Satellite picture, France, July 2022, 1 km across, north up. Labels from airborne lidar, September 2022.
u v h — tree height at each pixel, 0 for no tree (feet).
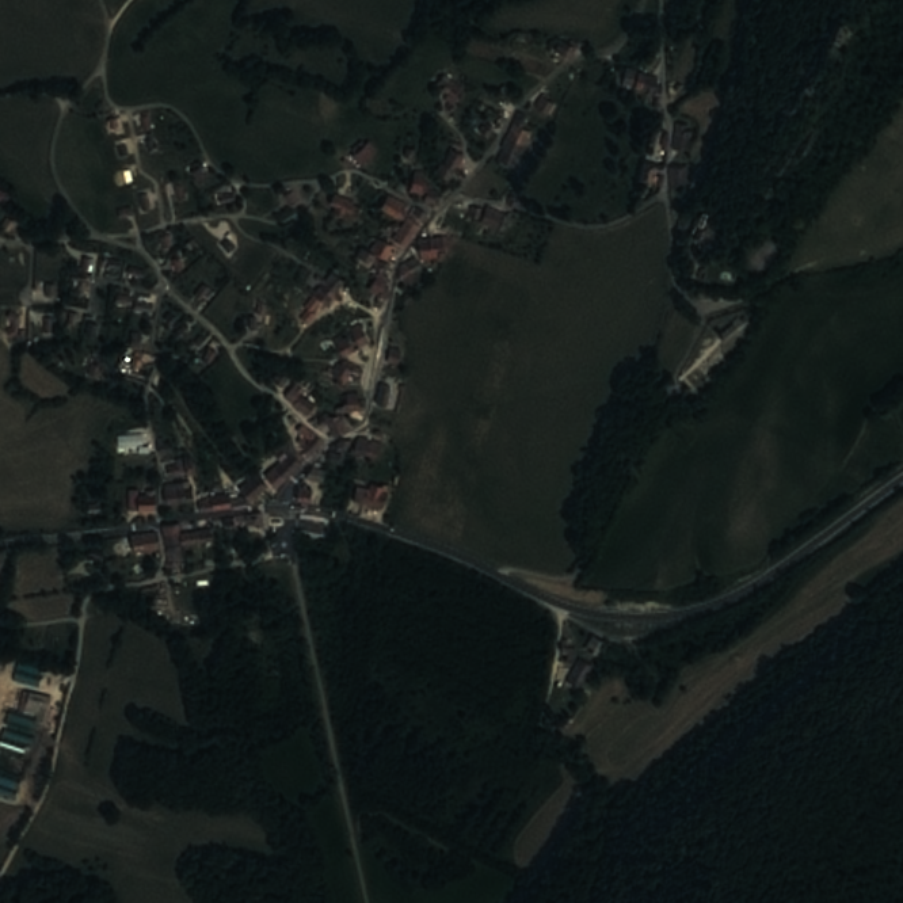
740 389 0
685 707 0
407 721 24
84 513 19
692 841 57
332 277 0
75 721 0
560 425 0
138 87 0
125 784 61
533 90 0
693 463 0
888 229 0
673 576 0
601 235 0
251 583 21
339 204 0
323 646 25
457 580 26
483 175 0
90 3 0
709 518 0
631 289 0
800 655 30
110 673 0
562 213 58
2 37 0
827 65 38
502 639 21
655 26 82
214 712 20
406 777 62
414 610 19
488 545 0
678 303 62
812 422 0
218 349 28
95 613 0
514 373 0
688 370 0
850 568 0
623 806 54
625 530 0
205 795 42
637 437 62
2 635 64
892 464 26
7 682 0
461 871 31
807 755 47
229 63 50
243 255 0
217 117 0
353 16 0
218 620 58
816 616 0
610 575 0
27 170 0
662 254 0
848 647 67
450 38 71
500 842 48
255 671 27
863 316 0
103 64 0
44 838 0
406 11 0
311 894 68
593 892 48
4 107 0
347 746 19
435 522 0
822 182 45
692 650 63
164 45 0
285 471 0
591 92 0
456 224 0
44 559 0
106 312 18
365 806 28
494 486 0
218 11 0
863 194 0
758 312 54
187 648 55
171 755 67
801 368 0
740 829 51
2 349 0
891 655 60
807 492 0
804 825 32
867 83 68
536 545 0
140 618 31
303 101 0
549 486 0
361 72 44
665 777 42
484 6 74
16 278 0
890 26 83
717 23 0
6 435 0
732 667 0
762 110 76
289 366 60
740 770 71
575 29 0
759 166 55
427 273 29
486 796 24
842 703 66
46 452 0
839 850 56
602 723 0
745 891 50
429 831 30
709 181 77
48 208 0
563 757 52
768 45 81
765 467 0
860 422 0
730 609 40
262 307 0
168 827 0
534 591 0
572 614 0
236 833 0
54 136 0
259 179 0
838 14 41
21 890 72
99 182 0
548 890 97
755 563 0
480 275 0
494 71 0
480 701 23
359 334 0
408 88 0
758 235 61
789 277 31
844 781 50
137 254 0
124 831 0
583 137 0
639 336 0
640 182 51
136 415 46
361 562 45
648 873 66
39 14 0
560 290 0
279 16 53
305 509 0
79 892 26
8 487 0
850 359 0
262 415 25
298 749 0
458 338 0
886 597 44
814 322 0
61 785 0
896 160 0
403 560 31
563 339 0
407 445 0
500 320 0
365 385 0
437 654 19
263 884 63
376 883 0
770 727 80
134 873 0
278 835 44
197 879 65
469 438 0
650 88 0
